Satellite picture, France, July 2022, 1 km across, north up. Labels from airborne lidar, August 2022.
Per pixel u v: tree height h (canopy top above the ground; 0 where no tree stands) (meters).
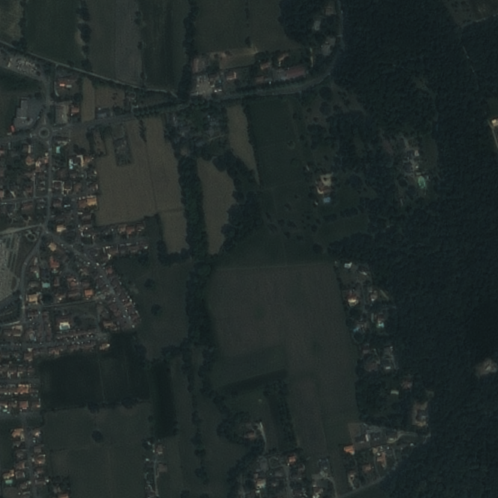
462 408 21
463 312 14
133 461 0
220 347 0
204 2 0
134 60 0
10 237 0
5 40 0
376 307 19
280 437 0
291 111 0
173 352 20
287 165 0
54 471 0
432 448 28
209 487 0
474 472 27
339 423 0
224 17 0
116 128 0
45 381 0
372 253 17
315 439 0
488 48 23
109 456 0
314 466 0
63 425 0
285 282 0
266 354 0
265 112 0
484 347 19
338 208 0
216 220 0
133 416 0
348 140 16
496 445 25
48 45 0
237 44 0
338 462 0
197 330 16
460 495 29
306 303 0
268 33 0
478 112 21
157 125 0
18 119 0
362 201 15
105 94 0
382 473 0
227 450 0
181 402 0
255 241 0
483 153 14
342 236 0
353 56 19
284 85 16
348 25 24
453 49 20
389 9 29
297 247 0
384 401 19
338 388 0
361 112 13
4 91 0
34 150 0
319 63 13
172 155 0
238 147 0
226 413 10
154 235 0
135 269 0
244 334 0
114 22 0
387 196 22
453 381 24
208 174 0
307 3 23
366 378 21
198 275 22
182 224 0
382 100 21
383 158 27
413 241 12
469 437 29
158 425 0
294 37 15
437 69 22
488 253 24
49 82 0
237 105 0
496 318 21
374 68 27
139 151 0
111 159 0
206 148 12
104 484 0
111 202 0
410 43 26
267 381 0
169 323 0
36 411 0
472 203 23
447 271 26
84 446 0
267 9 0
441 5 13
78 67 0
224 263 0
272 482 0
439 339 19
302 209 0
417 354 28
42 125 0
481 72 19
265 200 0
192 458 0
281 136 0
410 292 22
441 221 17
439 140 22
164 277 0
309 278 0
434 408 21
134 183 0
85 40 16
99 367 0
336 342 0
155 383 0
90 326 6
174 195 0
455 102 21
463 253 20
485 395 21
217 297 0
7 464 0
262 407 0
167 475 0
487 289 20
